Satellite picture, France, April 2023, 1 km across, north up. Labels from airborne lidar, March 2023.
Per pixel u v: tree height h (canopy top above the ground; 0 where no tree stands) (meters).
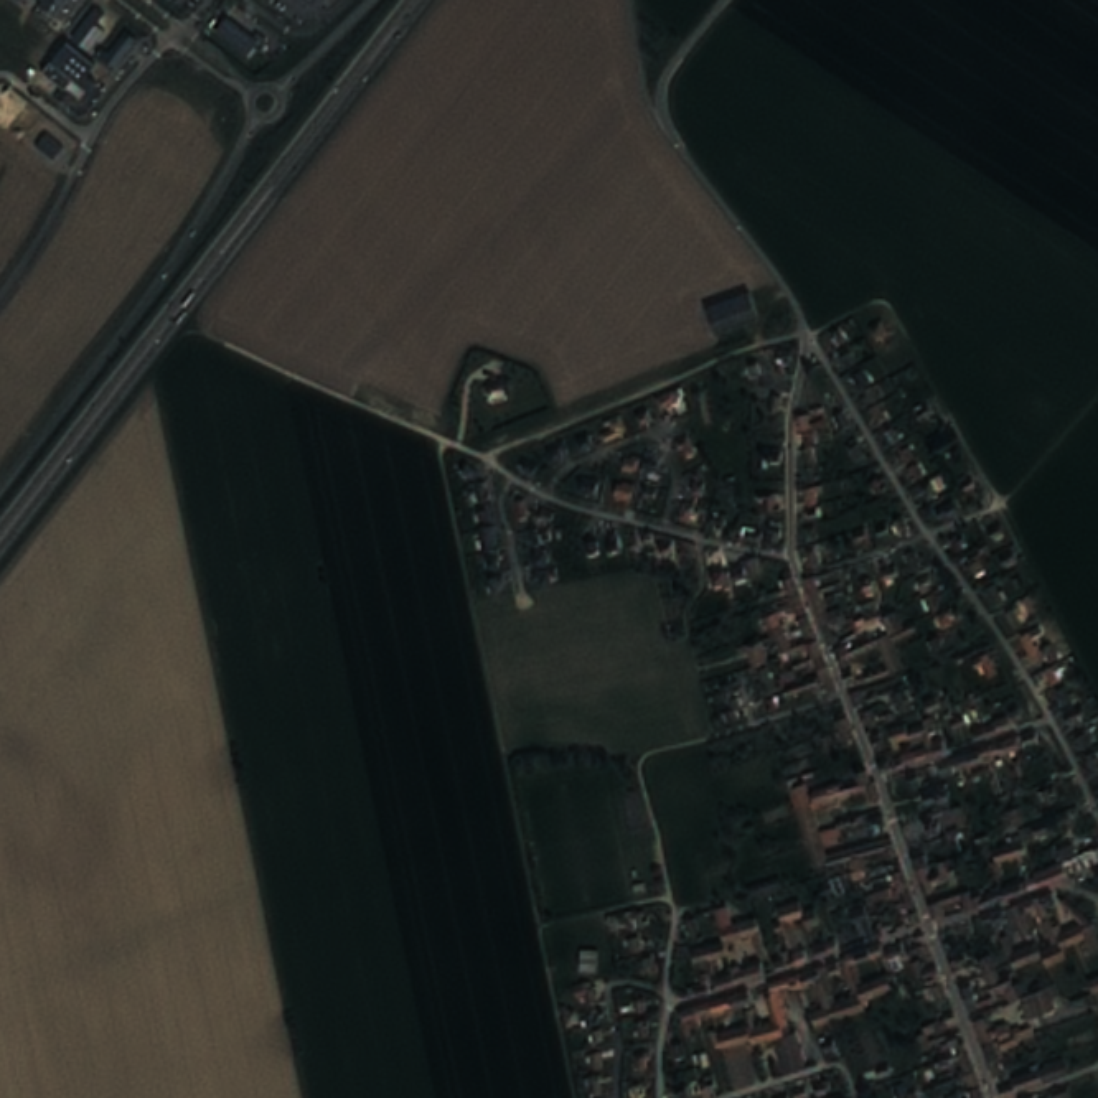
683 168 0
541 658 0
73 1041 0
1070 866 0
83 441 0
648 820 0
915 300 0
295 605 0
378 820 0
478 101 0
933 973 0
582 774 0
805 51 0
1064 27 0
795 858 0
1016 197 0
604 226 0
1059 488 0
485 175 0
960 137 0
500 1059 0
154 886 0
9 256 0
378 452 0
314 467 0
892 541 0
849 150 0
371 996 0
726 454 0
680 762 0
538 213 0
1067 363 0
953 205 0
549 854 0
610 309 0
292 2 0
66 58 0
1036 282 0
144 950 0
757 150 0
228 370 0
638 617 0
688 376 0
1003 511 0
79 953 0
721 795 0
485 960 0
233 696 0
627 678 0
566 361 0
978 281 0
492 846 0
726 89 0
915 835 0
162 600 0
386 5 0
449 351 0
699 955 0
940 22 0
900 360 0
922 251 0
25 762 0
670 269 0
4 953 0
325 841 0
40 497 0
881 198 0
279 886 0
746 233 0
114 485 0
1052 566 0
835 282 0
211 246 0
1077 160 0
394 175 0
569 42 0
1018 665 0
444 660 0
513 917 0
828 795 0
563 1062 0
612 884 0
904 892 0
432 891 0
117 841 0
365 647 0
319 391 0
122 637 0
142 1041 0
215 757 0
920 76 0
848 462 0
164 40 0
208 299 0
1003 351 0
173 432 0
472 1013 0
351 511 0
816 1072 0
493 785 0
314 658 0
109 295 0
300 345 0
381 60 0
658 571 13
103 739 0
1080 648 0
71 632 0
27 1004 0
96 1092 0
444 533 0
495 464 0
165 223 0
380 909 0
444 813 0
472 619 0
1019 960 0
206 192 0
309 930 0
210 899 0
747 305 0
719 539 0
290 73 0
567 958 0
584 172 0
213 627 0
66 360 0
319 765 0
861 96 0
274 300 0
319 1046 0
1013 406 0
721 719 6
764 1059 0
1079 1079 0
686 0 0
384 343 0
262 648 0
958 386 0
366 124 0
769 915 0
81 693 0
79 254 0
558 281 0
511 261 0
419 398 0
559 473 0
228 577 0
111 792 0
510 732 0
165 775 0
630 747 0
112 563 0
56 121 0
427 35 0
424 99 0
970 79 0
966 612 0
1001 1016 0
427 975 0
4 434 0
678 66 0
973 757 0
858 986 0
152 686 0
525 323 0
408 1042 0
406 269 0
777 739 11
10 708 0
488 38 0
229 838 0
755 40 0
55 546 0
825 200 0
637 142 0
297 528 0
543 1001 0
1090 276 0
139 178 0
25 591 0
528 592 0
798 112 0
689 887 0
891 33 0
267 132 0
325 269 0
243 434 0
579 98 0
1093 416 0
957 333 0
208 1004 0
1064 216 0
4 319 0
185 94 0
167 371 0
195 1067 0
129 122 0
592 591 0
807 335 0
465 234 0
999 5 0
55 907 0
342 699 0
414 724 0
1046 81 0
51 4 0
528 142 0
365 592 0
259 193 0
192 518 0
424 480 0
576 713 0
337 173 0
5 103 0
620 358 0
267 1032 0
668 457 0
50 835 0
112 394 0
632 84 0
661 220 0
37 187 0
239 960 0
